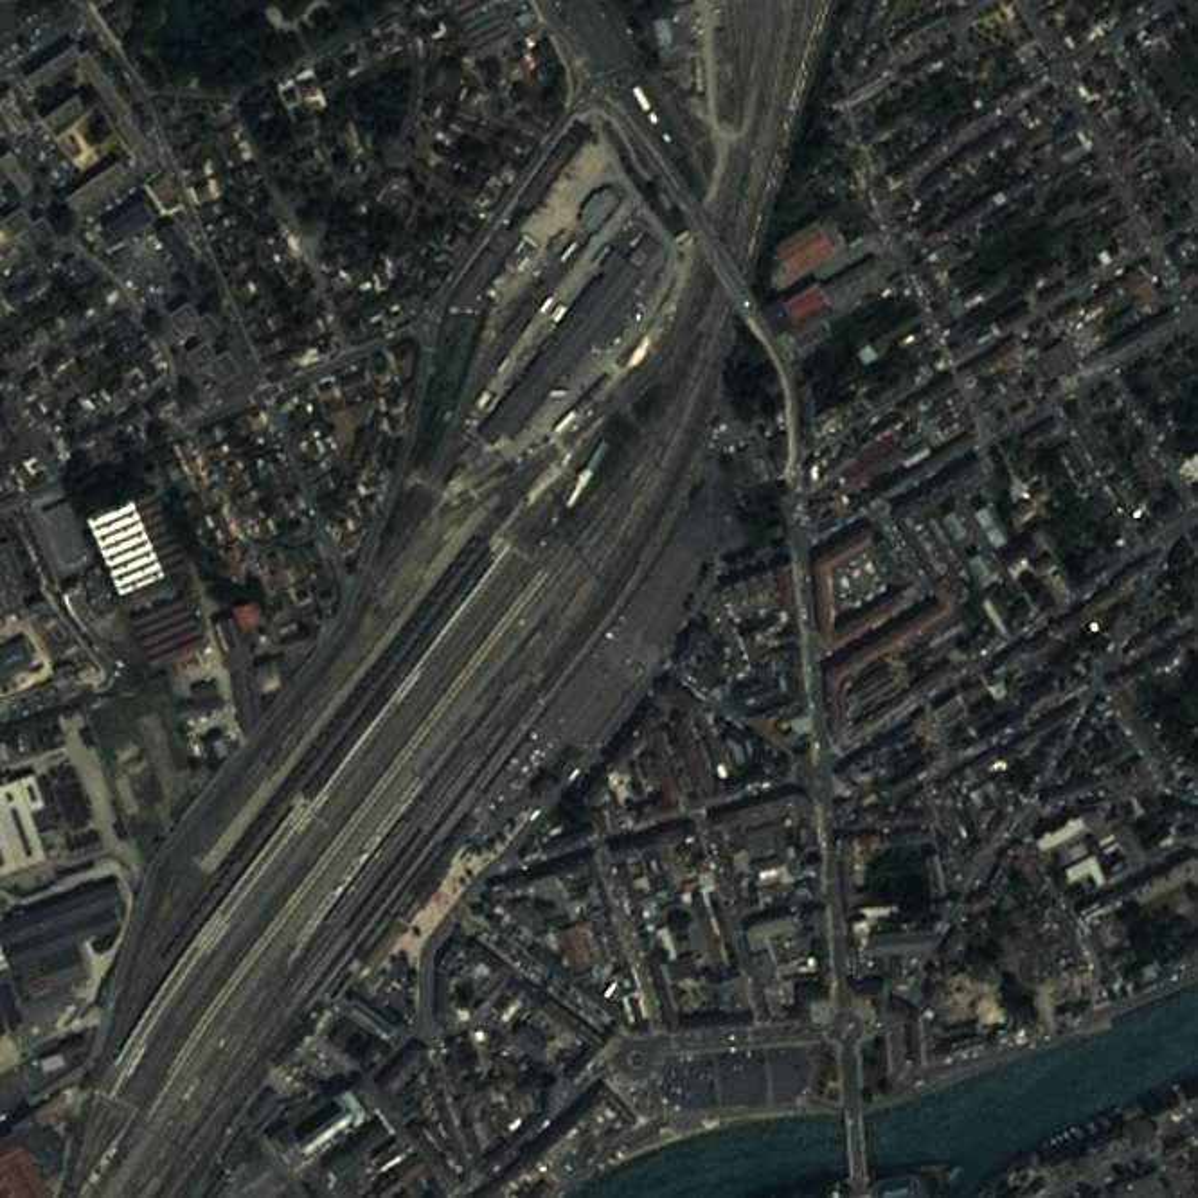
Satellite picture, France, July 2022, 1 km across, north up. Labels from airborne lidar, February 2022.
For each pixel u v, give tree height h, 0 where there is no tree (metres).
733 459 14
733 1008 0
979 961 8
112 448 14
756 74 0
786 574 0
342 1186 0
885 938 0
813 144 17
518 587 0
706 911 0
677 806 0
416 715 0
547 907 10
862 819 0
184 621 0
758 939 0
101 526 0
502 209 0
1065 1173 0
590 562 0
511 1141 0
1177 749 6
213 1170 0
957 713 0
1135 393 9
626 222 0
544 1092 0
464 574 0
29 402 0
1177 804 14
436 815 0
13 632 0
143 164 0
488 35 0
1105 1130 20
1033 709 0
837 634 0
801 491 0
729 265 0
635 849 0
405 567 0
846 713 0
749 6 0
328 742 0
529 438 0
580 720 0
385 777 0
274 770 0
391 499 0
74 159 0
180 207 0
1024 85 0
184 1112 0
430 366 0
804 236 0
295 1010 0
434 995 0
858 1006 0
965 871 0
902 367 0
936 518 0
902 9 0
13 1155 0
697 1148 0
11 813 0
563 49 0
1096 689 0
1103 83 6
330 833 0
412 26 6
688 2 0
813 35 0
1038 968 0
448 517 0
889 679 0
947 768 0
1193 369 18
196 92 0
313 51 0
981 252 7
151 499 0
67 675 0
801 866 0
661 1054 0
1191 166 0
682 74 0
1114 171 0
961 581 0
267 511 8
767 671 0
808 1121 0
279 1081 0
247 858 0
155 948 0
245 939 0
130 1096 0
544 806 0
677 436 0
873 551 0
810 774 0
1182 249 0
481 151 11
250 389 0
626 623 0
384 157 13
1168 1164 0
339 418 0
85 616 0
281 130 15
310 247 0
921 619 0
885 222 0
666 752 0
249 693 0
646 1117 0
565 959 0
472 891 0
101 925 0
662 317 0
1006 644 0
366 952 0
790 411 0
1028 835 0
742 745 0
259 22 19
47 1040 0
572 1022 0
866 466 0
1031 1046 0
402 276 6
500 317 0
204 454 0
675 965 0
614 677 0
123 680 0
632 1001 0
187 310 0
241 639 0
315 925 0
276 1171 0
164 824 0
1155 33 0
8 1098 0
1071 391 0
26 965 0
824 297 0
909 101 13
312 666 0
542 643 0
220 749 0
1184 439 10
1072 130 0
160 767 0
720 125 0
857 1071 0
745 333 16
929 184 0
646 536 0
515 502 0
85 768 0
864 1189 0
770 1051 0
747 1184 0
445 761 0
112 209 0
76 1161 0
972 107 7
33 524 0
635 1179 0
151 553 0
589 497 0
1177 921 10
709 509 0
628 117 0
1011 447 8
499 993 0
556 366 0
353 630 0
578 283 0
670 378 0
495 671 0
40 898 0
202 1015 0
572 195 0
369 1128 9
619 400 0
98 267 0
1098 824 0
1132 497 0
